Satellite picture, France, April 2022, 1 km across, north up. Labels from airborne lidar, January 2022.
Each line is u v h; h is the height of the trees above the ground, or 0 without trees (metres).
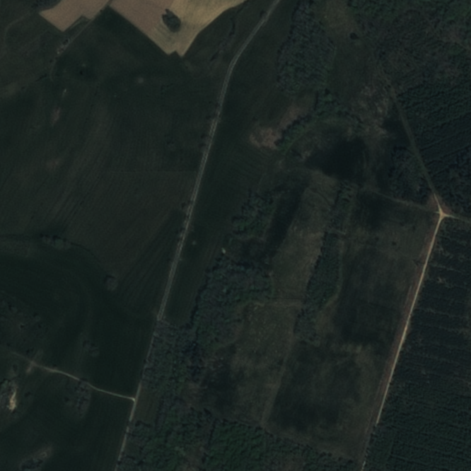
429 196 18
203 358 26
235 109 0
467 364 7
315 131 0
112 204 0
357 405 0
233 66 0
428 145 10
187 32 0
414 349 6
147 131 0
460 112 8
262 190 0
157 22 0
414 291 0
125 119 0
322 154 0
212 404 0
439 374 6
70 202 0
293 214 0
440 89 12
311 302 17
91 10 0
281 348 0
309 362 0
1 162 0
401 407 10
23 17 0
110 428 0
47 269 0
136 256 0
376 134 0
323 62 26
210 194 0
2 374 0
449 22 21
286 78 19
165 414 23
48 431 0
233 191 0
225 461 23
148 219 0
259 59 0
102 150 0
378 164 0
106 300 0
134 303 0
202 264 0
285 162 0
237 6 0
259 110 0
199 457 0
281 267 0
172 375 20
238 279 29
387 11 26
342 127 0
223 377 0
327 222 0
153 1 0
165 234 0
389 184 0
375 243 0
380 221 0
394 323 0
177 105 0
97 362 0
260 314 0
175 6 0
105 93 0
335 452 0
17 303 0
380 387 0
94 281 0
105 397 0
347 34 0
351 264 0
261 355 0
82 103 0
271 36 0
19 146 0
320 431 0
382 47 6
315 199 0
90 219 0
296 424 0
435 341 7
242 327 20
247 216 17
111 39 0
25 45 0
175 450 12
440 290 7
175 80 0
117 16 0
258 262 0
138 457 0
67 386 0
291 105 0
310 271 0
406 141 0
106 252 0
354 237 0
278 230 0
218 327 25
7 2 0
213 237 0
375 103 0
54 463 0
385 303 0
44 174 0
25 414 0
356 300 0
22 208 0
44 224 0
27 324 0
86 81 0
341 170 0
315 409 0
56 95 0
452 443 12
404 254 0
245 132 0
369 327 0
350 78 0
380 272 0
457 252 6
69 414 0
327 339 0
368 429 0
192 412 21
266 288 21
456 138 10
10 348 13
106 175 0
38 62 0
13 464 0
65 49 0
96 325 0
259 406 0
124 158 0
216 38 0
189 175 0
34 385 0
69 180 0
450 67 13
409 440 8
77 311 0
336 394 0
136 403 0
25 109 0
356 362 0
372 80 0
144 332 0
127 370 0
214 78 0
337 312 0
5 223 0
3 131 0
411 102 11
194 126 0
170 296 0
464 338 7
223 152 0
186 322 0
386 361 0
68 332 0
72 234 0
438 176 10
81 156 0
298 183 0
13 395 0
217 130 0
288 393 0
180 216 0
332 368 0
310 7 22
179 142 0
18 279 0
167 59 0
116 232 0
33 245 0
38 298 0
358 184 0
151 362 16
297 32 22
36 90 0
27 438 0
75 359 0
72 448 0
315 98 0
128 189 0
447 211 0
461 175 29
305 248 0
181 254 0
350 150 0
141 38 0
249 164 0
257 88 0
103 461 0
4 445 0
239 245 0
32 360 0
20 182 0
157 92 0
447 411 9
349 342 0
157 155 0
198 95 0
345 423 0
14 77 0
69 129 0
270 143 0
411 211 0
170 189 0
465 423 13
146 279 0
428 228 0
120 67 0
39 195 0
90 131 0
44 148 0
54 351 0
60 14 0
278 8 0
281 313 0
